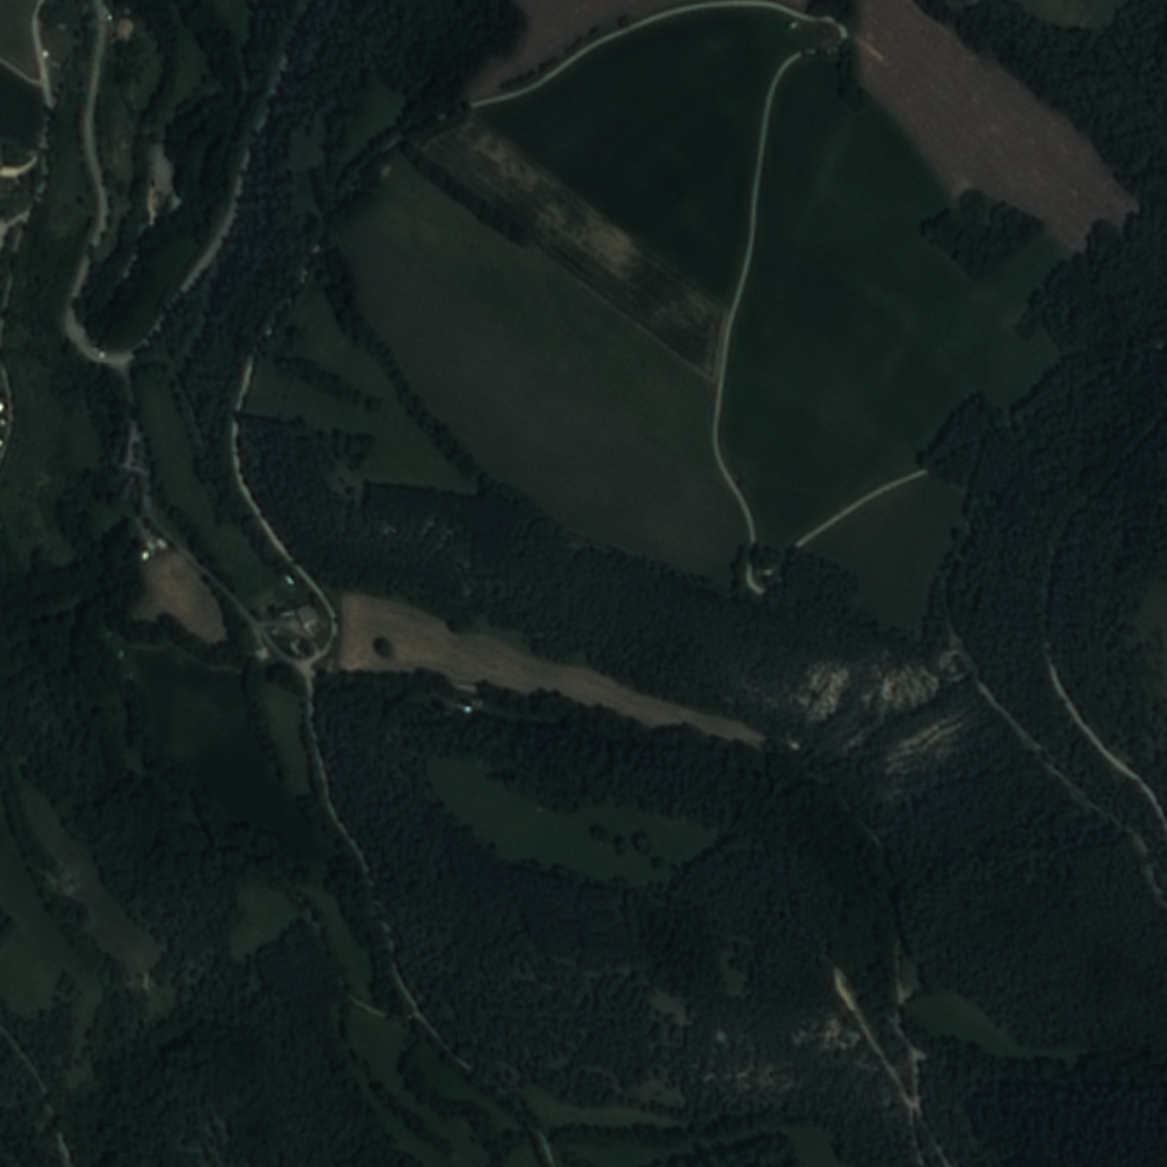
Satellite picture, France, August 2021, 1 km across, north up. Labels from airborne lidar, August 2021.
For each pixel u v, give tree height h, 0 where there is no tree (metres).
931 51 0
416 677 11
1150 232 13
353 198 8
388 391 0
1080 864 25
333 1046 16
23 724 8
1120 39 14
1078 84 17
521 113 0
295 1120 19
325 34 10
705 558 0
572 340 0
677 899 12
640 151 0
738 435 0
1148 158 16
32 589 19
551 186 0
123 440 13
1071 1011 14
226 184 13
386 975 15
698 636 13
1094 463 20
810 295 0
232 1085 9
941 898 27
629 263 0
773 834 13
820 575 13
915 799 6
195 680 0
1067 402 11
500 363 0
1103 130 12
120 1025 13
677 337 0
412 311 0
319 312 0
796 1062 9
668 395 0
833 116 0
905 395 0
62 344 8
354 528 13
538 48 0
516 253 0
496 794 0
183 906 19
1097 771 9
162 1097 16
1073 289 17
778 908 19
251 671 12
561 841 0
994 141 0
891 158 0
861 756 8
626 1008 11
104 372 11
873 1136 11
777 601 12
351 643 0
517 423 0
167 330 10
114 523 0
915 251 0
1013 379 0
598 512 0
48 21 8
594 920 20
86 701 11
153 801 22
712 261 0
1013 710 11
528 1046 14
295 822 0
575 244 0
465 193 13
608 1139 16
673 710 0
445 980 14
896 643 12
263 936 0
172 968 13
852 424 0
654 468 0
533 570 11
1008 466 16
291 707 0
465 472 7
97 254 17
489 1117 12
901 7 0
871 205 0
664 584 12
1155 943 16
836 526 0
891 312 0
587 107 0
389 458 0
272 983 18
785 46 0
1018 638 11
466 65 15
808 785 22
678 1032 12
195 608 0
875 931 18
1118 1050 14
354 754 11
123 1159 14
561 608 11
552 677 0
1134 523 12
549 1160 11
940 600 12
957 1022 0
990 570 13
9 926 19
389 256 0
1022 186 0
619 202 0
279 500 11
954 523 0
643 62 0
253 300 14
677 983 9
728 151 0
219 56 19
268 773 0
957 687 8
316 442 11
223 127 15
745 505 0
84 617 24
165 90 16
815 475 0
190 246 0
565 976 13
